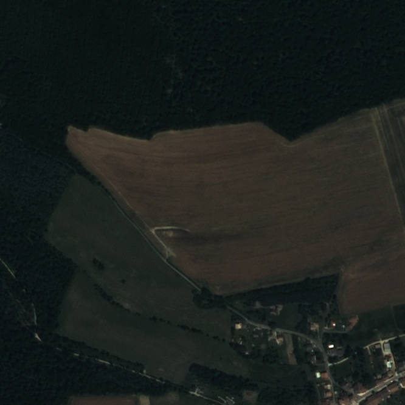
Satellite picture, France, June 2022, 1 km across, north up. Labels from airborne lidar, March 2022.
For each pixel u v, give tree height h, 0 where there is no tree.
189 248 0
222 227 0
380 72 17
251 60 21
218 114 16
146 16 5
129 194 0
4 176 21
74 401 0
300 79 19
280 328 0
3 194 17
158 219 0
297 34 21
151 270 0
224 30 20
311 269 0
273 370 0
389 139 0
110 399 0
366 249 0
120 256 0
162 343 0
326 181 0
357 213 0
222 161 0
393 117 0
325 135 0
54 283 19
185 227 0
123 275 0
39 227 8
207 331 0
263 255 0
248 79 17
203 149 0
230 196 0
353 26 23
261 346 0
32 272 23
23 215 12
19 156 17
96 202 0
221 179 0
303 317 8
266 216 0
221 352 0
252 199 0
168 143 0
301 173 0
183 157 0
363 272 0
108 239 0
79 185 0
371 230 0
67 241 0
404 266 0
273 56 19
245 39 20
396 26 25
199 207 0
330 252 0
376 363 0
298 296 7
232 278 0
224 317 0
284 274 0
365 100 19
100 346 0
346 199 0
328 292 9
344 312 0
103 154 0
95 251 0
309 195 0
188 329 15
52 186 17
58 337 20
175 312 0
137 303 0
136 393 15
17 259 17
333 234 0
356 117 0
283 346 0
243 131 0
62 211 0
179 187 0
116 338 0
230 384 17
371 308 0
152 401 0
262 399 6
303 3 25
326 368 0
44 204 17
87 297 0
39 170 21
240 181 0
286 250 0
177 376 0
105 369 22
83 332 0
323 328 0
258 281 0
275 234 0
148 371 0
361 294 0
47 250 20
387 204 0
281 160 0
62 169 17
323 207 0
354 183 0
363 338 0
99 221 0
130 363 7
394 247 0
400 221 0
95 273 0
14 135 14
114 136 0
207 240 0
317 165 0
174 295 0
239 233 0
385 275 0
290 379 0
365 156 0
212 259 0
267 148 0
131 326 0
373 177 0
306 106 20
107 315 0
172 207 0
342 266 0
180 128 12
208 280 0
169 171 0
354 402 0
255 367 0
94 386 18
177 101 18
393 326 0
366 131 0
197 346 0
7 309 25
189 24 20
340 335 7
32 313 0
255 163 0
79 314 0
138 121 19
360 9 23
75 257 0
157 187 0
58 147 16
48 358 30
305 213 0
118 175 0
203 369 13
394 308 0
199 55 21
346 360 0
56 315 23
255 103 19
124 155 0
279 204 0
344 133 0
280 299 7
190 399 0
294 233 0
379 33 19
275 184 0
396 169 0
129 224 0
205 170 0
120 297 0
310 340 0
